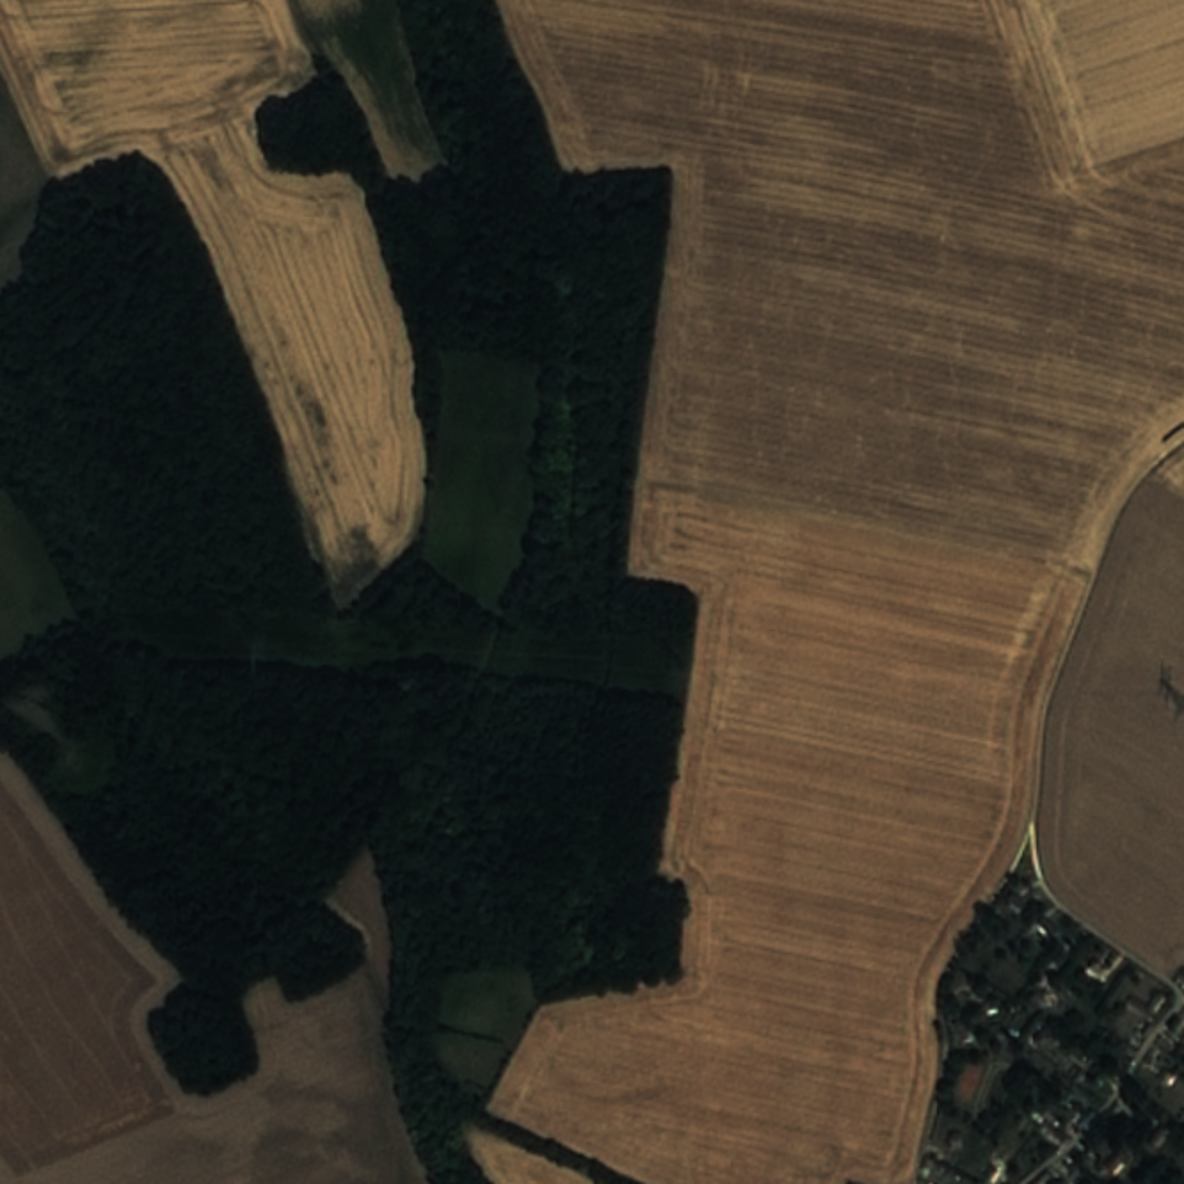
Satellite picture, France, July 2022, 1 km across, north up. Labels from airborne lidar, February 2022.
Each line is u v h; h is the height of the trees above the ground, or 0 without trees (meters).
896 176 0
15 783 0
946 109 0
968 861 0
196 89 0
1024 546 0
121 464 25
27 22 0
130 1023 0
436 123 11
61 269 21
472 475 0
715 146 0
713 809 0
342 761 25
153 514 19
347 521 0
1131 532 0
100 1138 0
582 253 21
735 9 0
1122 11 0
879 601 0
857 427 0
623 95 0
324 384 0
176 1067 21
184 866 16
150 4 0
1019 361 0
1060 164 0
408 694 31
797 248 0
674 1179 0
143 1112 0
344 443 0
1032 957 10
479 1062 0
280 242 0
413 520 0
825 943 0
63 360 20
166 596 20
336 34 0
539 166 22
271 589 22
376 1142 0
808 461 0
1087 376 0
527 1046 0
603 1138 0
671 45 0
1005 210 0
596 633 7
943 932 0
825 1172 0
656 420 0
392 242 13
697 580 0
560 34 0
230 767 18
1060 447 0
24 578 0
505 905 19
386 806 29
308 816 24
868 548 0
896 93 0
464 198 22
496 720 14
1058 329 0
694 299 0
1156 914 0
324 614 15
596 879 18
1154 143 0
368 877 0
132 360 25
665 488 0
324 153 21
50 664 5
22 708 0
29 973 0
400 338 0
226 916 23
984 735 0
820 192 0
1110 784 0
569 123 0
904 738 0
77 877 0
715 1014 0
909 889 0
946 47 0
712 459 0
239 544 25
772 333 0
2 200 0
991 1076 0
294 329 0
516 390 0
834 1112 0
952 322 0
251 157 0
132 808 17
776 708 0
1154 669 0
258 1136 0
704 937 0
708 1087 0
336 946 21
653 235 17
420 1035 21
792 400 0
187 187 0
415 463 0
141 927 21
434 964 17
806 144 0
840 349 0
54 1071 0
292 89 0
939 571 0
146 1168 0
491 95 23
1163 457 0
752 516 0
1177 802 0
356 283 0
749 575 0
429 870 17
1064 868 0
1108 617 0
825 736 0
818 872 0
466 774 15
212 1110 0
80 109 0
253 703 23
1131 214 0
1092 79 0
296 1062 0
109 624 18
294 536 22
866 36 0
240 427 23
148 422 22
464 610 25
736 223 0
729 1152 0
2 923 0
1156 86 0
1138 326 0
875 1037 0
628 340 19
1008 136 0
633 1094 0
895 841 0
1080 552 0
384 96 0
